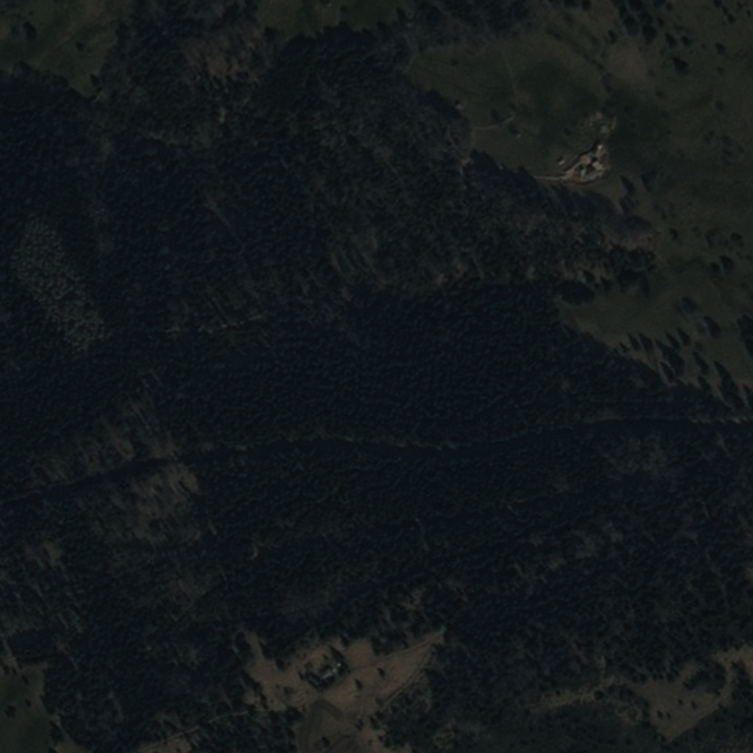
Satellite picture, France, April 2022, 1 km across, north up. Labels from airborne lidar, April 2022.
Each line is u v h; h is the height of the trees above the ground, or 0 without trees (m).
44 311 22
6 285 19
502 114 0
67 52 0
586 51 0
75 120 18
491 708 9
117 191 21
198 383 21
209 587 12
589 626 12
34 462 23
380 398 24
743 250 10
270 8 0
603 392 24
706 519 14
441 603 17
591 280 23
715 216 0
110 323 22
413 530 23
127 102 13
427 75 0
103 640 19
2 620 28
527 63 0
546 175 0
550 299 21
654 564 7
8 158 27
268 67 16
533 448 22
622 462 23
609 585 14
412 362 27
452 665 12
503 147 0
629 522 17
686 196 0
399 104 17
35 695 0
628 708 0
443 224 20
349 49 23
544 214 23
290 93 29
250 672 0
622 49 0
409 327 30
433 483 12
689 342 19
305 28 0
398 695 0
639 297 0
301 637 21
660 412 19
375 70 19
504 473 19
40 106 22
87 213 15
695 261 0
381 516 22
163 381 9
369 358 34
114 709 14
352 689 0
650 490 23
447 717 10
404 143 23
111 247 23
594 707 0
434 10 15
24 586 24
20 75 13
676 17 0
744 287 10
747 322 0
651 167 0
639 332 0
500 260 29
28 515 16
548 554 14
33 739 0
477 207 19
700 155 0
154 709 20
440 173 20
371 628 9
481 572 17
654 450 23
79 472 26
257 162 27
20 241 18
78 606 0
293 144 14
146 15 22
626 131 0
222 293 28
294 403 21
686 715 0
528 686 8
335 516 9
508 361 22
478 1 18
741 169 0
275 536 23
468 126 25
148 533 24
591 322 0
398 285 37
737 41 0
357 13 0
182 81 21
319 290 31
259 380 26
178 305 26
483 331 24
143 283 26
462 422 26
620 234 22
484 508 14
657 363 0
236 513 17
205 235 30
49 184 17
